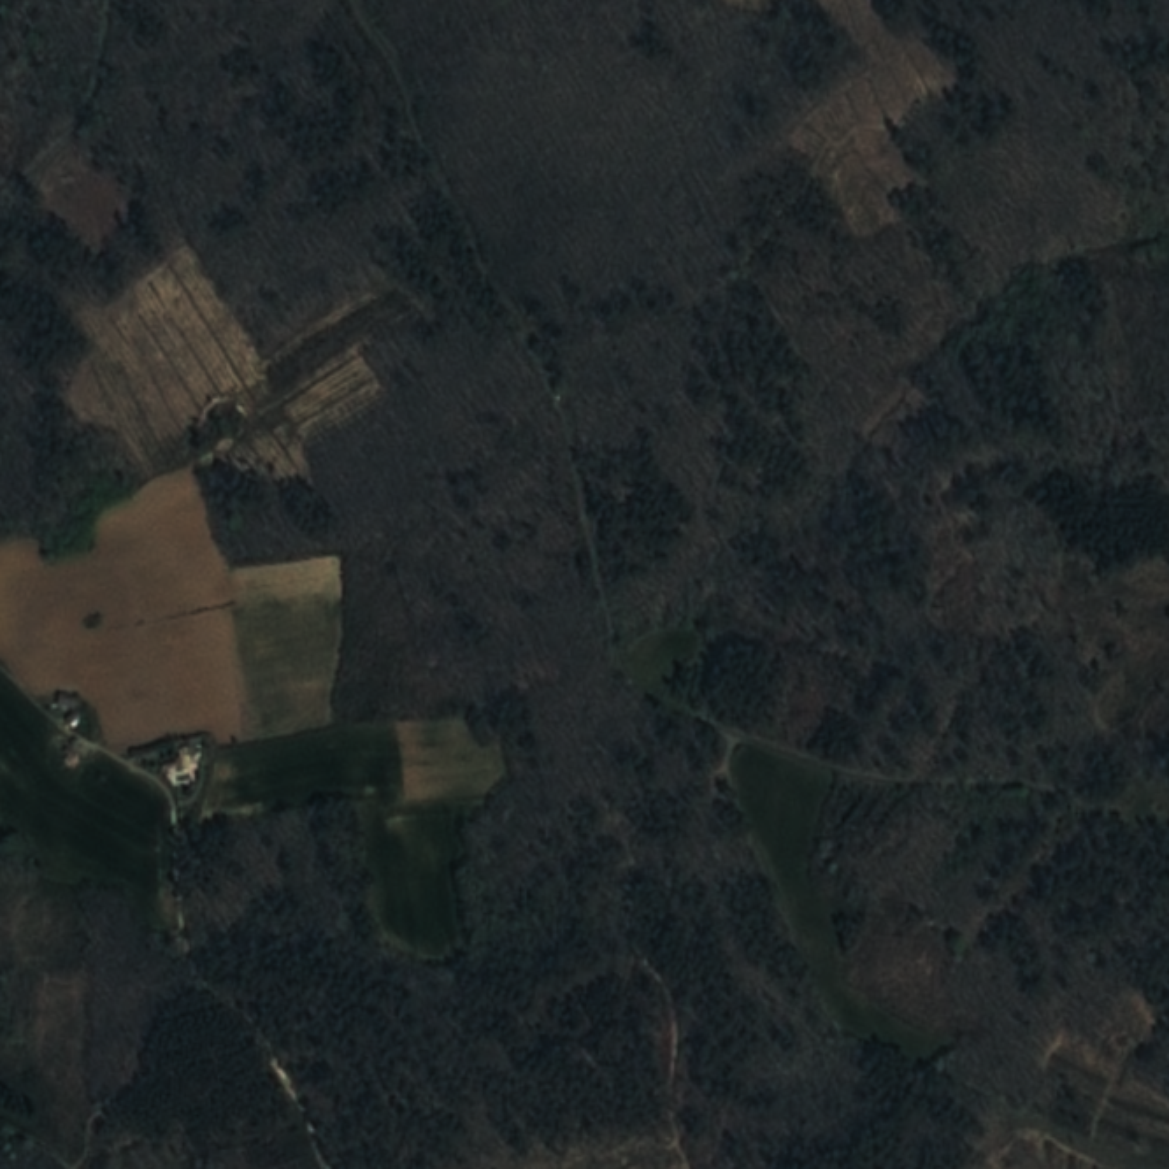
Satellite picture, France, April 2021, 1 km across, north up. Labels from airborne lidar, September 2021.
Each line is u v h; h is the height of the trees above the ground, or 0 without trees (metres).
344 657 7
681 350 18
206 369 0
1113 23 24
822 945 0
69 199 0
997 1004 15
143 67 16
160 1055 18
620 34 16
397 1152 22
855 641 23
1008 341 20
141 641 0
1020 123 12
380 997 24
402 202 19
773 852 0
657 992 22
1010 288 21
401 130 23
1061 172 21
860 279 10
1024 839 25
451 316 18
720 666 9
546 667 15
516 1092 25
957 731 8
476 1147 16
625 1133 25
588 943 24
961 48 27
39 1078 7
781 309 15
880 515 30
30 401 19
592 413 15
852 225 8
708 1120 16
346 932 24
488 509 15
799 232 8
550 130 16
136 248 23
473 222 17
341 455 19
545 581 13
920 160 17
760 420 20
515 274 19
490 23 17
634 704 14
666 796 19
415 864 0
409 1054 21
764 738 10
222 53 13
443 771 0
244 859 20
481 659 19
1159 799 0
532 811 20
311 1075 9
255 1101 15
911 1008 8
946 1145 19
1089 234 20
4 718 0
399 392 14
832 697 11
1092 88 13
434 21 12
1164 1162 0
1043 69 17
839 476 25
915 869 13
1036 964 26
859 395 14
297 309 15
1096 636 6
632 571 18
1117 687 7
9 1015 18
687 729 15
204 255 17
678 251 18
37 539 22
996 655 5
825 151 0
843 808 6
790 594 27
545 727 15
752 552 29
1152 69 20
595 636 14
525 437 13
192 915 16
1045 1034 16
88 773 0
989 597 13
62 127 13
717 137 17
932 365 21
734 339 20
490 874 20
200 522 0
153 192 15
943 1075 13
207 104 11
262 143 17
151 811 0
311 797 0
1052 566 16
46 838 0
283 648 0
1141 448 10
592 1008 16
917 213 25
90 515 23
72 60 16
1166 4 18
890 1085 25
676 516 24
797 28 15
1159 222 20
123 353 0
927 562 16
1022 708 19
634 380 18
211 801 0
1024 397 25
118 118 14
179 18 18
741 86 18
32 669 0
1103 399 16
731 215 11
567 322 18
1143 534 15
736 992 25
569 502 10
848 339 10
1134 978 20
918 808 10
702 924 23
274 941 22
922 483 19
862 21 0
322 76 25
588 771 16
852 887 12
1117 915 31
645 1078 20
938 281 17
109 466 24
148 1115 17
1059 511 15
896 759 25
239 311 22
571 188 21
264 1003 21
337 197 26
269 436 0
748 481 18
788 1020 17
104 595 0
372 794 0
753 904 25
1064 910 24
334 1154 12
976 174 17
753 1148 13
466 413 14
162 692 0
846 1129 19
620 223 16
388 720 7
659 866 17
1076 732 18
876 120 0
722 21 15
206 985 21
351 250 18
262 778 0
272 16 9
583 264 20
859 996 0
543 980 20
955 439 28
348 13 10
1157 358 9
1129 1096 0
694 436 19
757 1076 23
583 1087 22
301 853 20
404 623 6
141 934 15
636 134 17
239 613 0
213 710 0
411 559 12
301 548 18
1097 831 22
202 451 18
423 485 10
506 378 13
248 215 15
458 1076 22
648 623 17
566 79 16
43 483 16
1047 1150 0
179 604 0
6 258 29
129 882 0
